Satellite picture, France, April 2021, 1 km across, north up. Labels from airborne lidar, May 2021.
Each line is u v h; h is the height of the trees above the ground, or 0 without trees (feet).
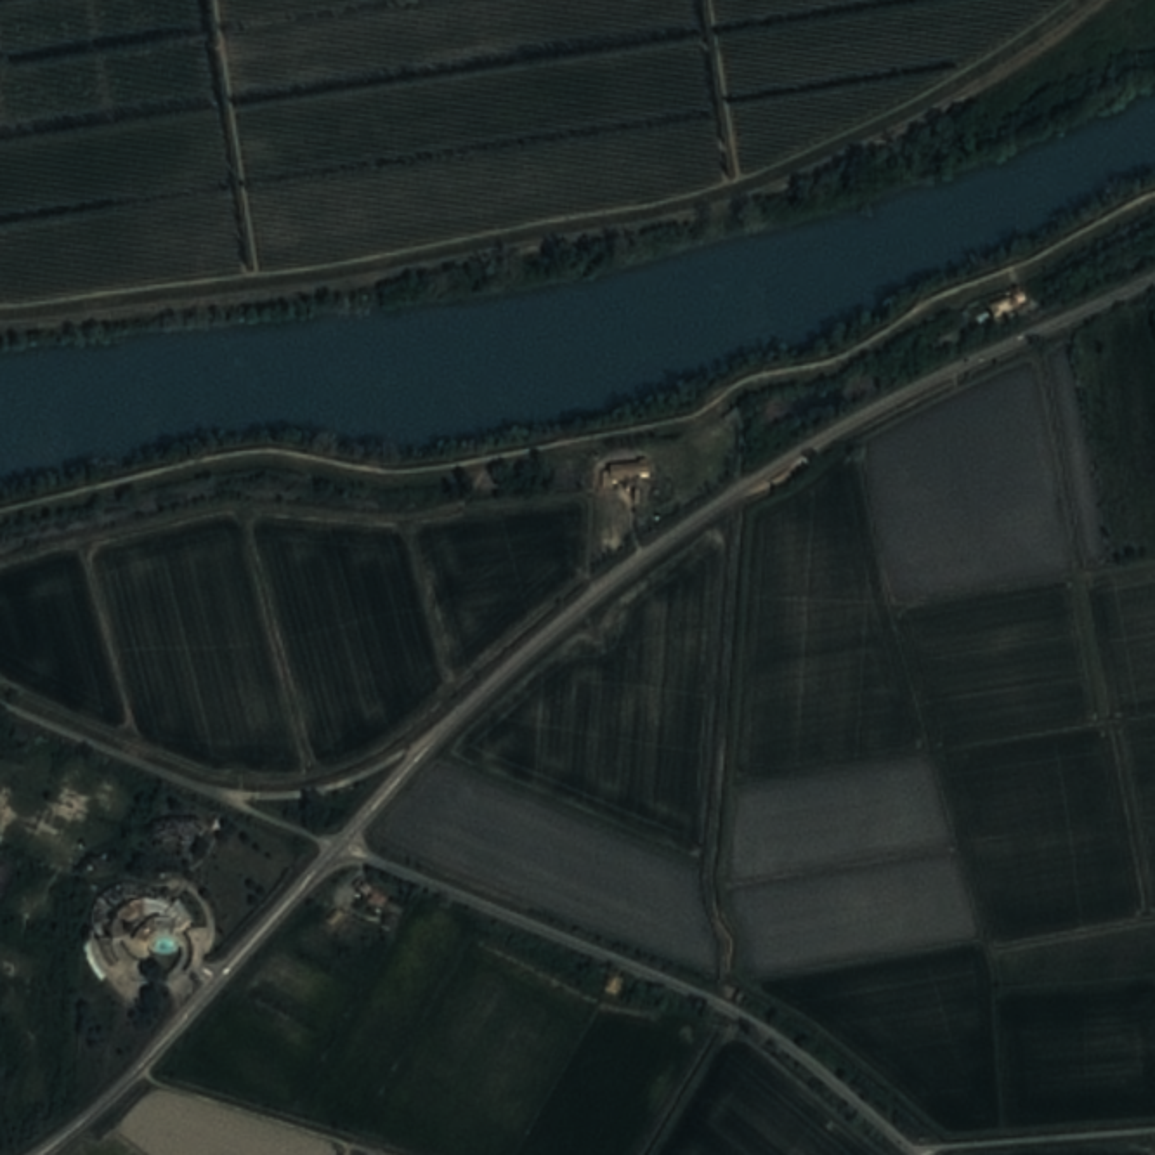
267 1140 0
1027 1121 0
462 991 0
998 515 0
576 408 0
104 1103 0
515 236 0
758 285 0
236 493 26
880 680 0
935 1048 0
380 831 0
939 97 0
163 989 26
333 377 0
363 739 0
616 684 0
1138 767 0
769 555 0
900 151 50
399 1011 0
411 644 0
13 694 31
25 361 0
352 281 0
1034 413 0
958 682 0
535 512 0
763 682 0
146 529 0
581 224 0
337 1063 0
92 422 0
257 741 0
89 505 33
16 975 0
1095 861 0
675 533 0
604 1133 0
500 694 0
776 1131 0
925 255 0
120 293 0
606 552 32
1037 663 0
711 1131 0
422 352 0
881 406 0
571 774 0
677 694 0
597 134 43
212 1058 0
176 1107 0
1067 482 0
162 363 0
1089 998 0
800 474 44
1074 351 39
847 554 0
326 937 0
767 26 36
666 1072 0
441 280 60
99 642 0
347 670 0
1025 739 0
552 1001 0
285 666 0
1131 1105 0
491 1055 0
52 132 66
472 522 0
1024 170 0
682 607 0
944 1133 0
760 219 66
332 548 0
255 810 0
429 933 0
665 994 38
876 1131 31
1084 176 0
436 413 0
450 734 0
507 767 0
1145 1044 0
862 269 0
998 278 0
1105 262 41
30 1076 0
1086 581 0
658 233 43
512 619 0
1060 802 0
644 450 31
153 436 0
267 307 37
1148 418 0
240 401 0
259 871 0
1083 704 0
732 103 40
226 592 0
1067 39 0
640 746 0
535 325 0
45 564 0
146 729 0
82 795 0
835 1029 0
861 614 0
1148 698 0
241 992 0
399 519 0
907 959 0
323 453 50
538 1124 0
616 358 0
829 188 47
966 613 0
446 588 0
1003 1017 0
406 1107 0
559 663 0
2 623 0
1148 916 0
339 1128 31
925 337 36
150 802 40
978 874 0
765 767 0
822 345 45
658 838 0
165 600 0
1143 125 0
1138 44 0
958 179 0
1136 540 0
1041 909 0
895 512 0
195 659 0
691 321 0
